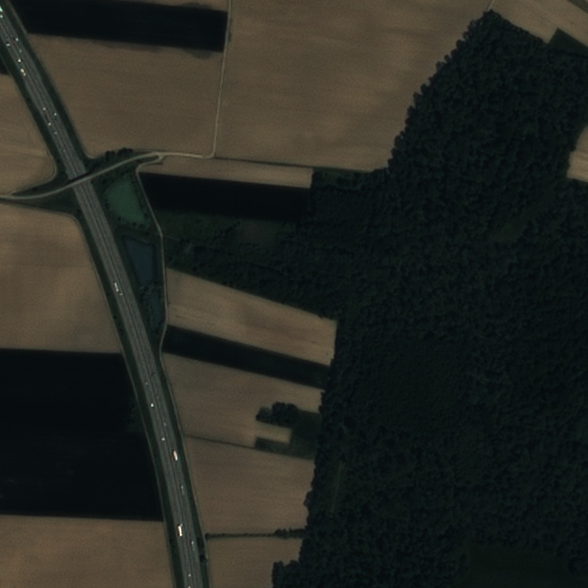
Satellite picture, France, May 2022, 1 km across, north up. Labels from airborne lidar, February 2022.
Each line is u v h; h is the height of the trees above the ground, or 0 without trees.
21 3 0
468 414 22
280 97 0
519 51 20
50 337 0
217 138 0
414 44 0
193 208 0
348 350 9
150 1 0
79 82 0
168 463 0
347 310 19
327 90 0
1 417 0
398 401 16
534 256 22
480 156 23
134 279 0
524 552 13
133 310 0
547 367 28
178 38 0
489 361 15
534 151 21
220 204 0
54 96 0
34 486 0
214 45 0
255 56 0
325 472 25
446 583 20
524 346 24
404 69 0
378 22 0
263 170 0
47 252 0
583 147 0
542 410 27
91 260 0
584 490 30
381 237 27
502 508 26
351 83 0
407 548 17
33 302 0
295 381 0
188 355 0
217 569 0
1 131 0
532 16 0
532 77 7
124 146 0
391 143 0
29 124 0
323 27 0
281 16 0
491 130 23
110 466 0
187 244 13
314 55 0
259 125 0
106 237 0
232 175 0
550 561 0
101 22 0
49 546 0
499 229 23
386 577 28
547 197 0
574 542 21
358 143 0
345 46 0
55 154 0
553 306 22
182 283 0
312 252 21
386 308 29
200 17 0
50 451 0
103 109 0
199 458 0
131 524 0
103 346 0
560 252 19
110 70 0
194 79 0
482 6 0
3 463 0
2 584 0
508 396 19
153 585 0
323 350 0
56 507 0
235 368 0
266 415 6
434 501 32
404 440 24
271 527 0
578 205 29
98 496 0
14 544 0
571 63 19
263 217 0
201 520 0
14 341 0
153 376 0
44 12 0
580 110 28
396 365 16
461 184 26
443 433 15
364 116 0
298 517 0
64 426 0
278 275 18
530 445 9
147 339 0
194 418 0
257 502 0
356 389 16
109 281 0
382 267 28
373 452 29
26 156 0
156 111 0
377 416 13
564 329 21
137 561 0
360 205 20
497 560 0
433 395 16
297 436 0
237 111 0
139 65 0
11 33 0
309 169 0
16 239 0
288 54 0
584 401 23
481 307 29
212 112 0
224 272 10
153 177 0
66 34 0
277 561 0
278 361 0
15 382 0
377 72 0
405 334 21
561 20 0
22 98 0
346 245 19
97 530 0
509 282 26
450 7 0
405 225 24
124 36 0
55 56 0
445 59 0
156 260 0
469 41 23
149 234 7
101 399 0
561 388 29
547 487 26
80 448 0
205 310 0
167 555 0
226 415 0
